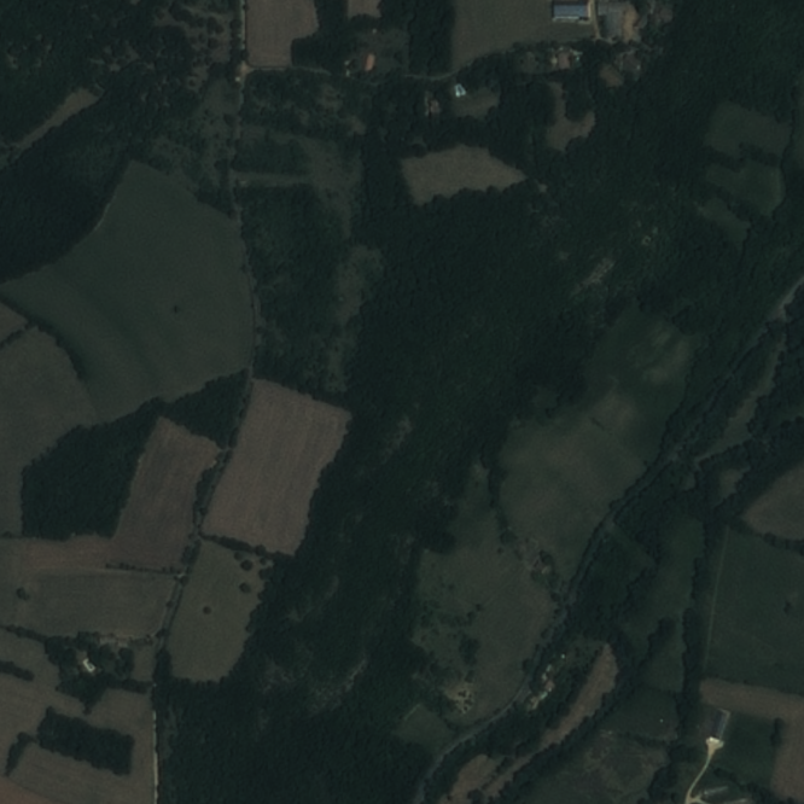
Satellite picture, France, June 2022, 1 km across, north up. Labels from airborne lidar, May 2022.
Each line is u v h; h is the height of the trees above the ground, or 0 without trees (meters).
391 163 9
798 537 0
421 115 16
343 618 11
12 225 11
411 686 11
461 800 0
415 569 9
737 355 13
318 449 0
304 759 21
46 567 0
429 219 14
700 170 22
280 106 6
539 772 18
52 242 12
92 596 0
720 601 0
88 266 0
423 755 22
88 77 12
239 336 0
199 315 0
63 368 0
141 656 0
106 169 8
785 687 0
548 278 14
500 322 10
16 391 0
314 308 7
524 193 13
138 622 0
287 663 11
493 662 0
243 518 0
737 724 0
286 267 8
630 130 8
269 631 12
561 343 14
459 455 11
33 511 11
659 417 0
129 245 0
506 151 15
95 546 0
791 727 0
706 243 21
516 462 0
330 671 7
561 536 0
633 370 0
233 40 6
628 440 0
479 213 13
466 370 10
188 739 11
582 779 0
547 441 0
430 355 9
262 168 7
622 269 13
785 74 8
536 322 15
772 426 19
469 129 15
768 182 0
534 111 14
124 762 6
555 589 12
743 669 0
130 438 9
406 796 24
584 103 13
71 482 12
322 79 7
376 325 15
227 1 7
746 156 6
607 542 14
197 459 0
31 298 0
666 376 0
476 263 11
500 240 12
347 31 13
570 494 0
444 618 6
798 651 0
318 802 7
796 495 0
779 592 0
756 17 12
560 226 9
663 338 0
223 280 0
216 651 0
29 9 11
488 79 12
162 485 0
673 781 12
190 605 0
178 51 8
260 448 0
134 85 11
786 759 0
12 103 11
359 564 8
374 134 11
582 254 9
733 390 21
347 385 7
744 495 18
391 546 8
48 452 7
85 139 7
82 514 12
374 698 8
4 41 11
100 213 8
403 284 13
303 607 8
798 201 12
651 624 0
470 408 10
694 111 19
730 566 0
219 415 6
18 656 0
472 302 9
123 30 12
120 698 0
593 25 0
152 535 0
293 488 0
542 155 12
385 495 16
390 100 8
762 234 13
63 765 0
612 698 12
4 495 0
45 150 12
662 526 25
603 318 8
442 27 14
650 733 0
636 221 11
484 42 0
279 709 11
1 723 0
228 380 7
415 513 10
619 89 7
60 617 0
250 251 7
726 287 8
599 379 0
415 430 8
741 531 15
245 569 10
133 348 0
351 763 19
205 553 0
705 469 22
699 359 13
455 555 0
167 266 0
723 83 18
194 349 0
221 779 11
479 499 0
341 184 0
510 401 21
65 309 0
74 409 0
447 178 0
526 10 0
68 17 12
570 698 11
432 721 0
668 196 14
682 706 12
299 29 0
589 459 0
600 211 12
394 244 13
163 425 0
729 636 0
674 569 0
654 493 21
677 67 10
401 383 12
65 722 8
